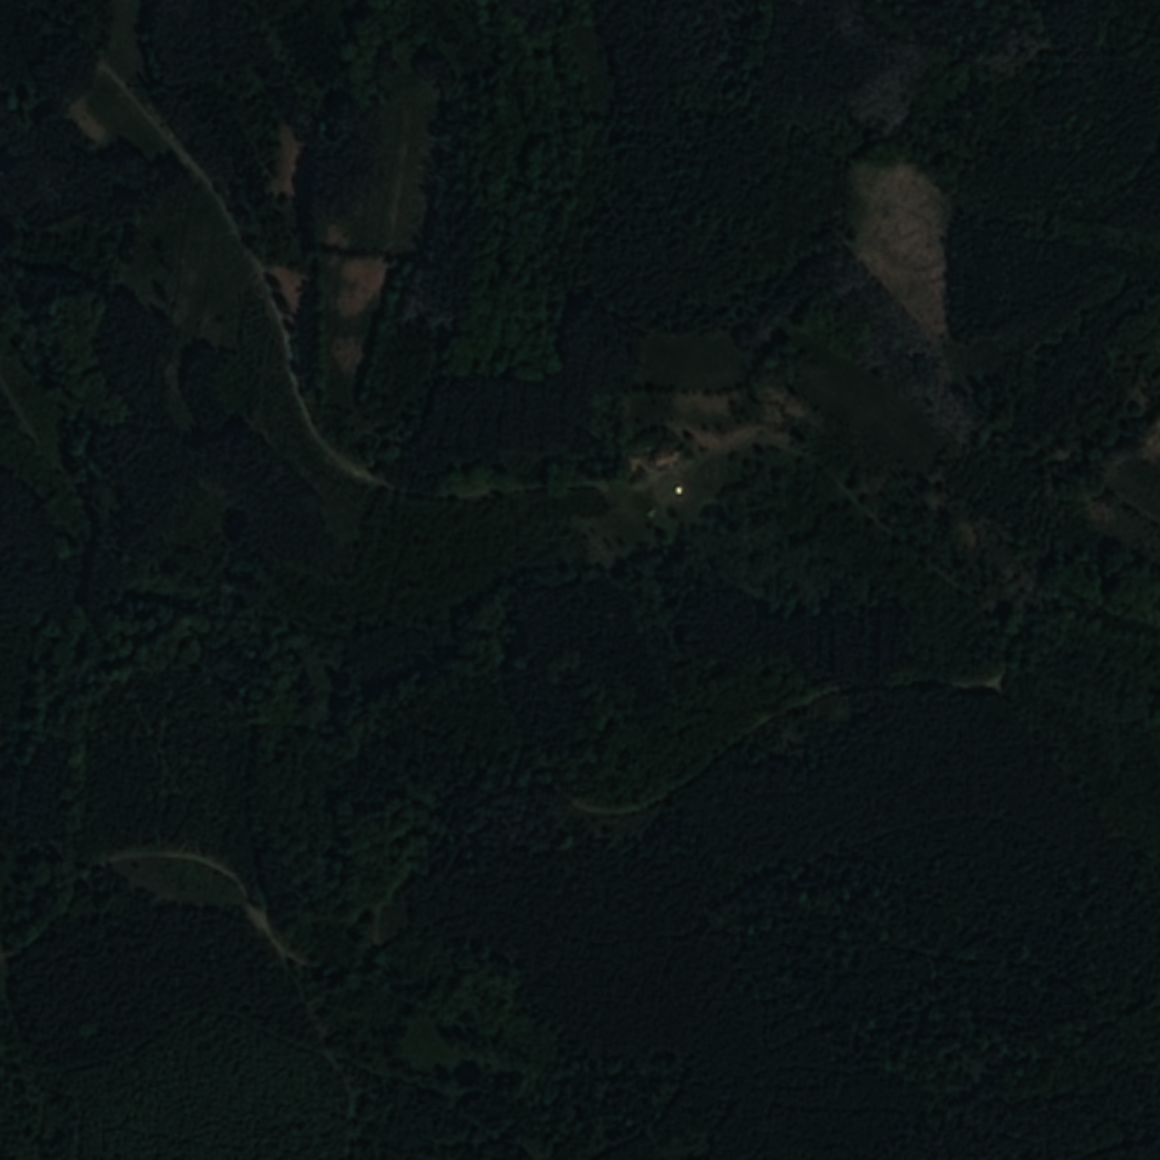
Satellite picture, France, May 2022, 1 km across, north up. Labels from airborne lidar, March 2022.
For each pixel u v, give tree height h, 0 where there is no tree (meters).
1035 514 8
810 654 27
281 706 30
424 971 12
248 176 12
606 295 11
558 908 15
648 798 13
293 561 27
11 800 28
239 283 0
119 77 0
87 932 15
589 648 25
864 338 24
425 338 14
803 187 11
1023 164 7
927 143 9
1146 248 13
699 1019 13
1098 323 15
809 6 19
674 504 0
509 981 27
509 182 8
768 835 17
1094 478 25
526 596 29
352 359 0
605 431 20
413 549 6
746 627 29
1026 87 11
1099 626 11
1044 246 10
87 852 9
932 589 12
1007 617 21
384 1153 7
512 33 22
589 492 7
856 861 18
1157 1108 20
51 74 31
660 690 20
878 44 26
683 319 14
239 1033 8
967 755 16
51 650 25
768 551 19
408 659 12
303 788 18
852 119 19
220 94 20
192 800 7
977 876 10
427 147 0
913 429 0
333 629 10
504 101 17
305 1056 7
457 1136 11
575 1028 12
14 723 9
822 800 18
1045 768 17
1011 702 11
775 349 14
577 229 8
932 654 13
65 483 15
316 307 8
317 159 28
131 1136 9
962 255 18
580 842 13
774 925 30
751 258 9
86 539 15
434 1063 0
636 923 14
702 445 0
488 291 22
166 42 28
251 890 13
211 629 15
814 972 16
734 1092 16
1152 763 13
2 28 13
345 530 0
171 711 10
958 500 11
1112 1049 17
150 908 11
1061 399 17
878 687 15
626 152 11
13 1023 12
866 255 0
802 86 21
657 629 20
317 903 29
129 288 0
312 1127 9
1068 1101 21
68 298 30
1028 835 11
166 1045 7
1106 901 14
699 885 12
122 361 29
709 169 12
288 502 30
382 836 28
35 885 17
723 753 11
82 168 32
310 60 13
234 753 13
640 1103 14
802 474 6
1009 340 12
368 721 33
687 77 17
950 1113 19
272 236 7
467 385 19
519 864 14
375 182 29
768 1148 17
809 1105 18
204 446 26
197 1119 7
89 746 9
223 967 16
